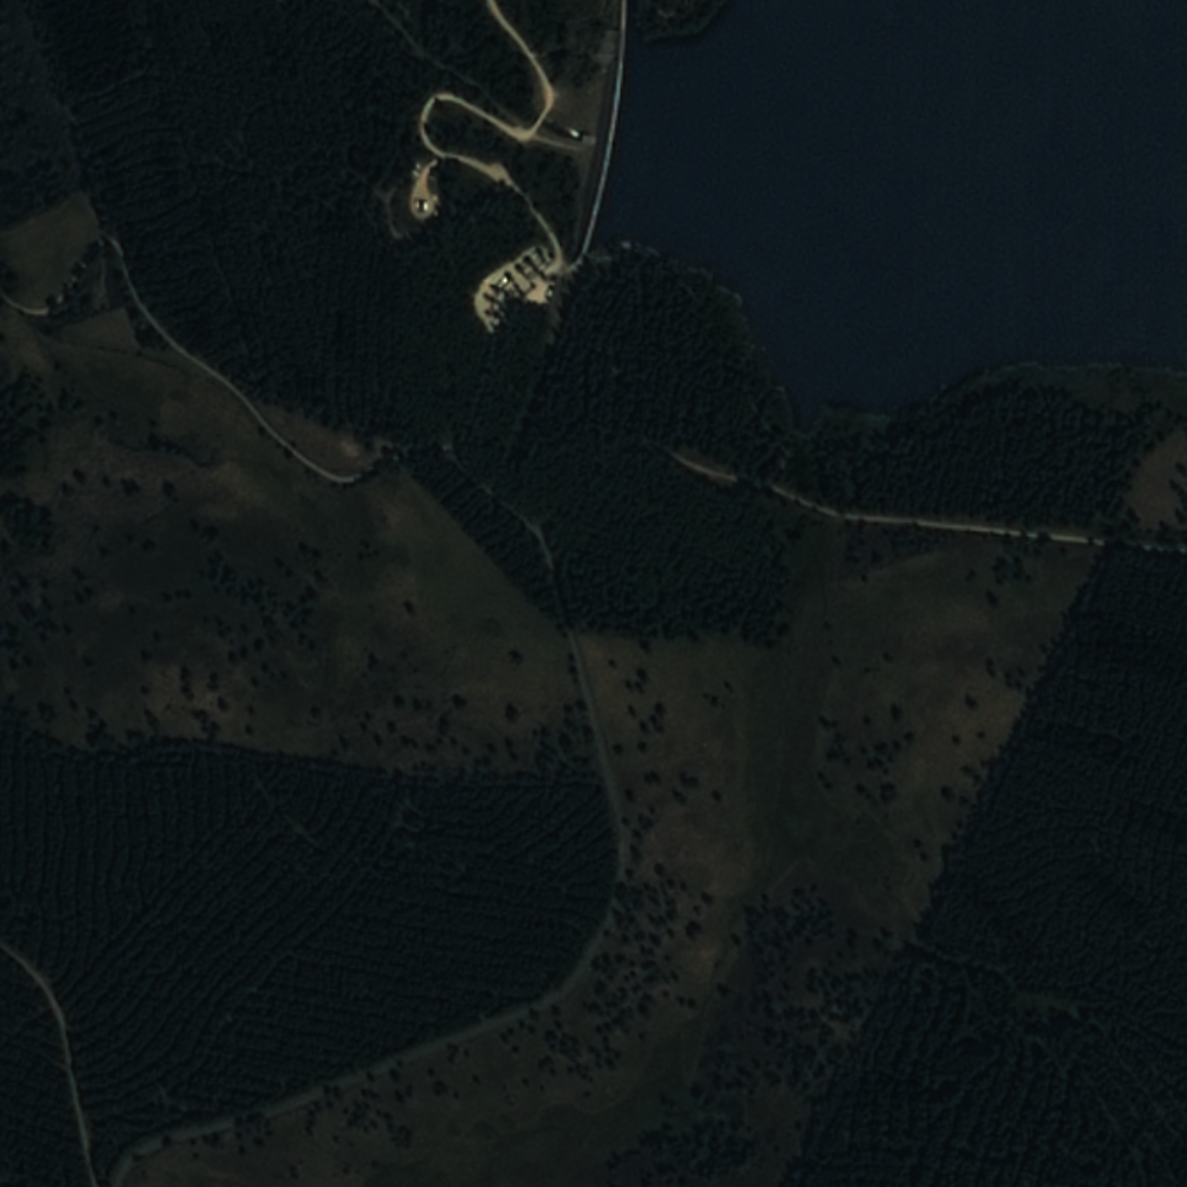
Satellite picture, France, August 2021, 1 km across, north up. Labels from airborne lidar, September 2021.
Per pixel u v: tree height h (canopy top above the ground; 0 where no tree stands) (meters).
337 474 0
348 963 16
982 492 21
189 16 17
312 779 18
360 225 14
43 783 14
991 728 0
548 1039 10
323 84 19
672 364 20
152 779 18
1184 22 0
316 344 15
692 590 24
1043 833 16
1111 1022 22
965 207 0
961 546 0
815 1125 11
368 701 0
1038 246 0
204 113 16
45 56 11
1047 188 0
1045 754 17
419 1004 19
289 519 0
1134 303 0
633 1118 0
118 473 0
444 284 19
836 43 0
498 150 8
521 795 13
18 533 12
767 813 0
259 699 0
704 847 0
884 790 9
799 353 0
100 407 0
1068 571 0
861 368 0
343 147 15
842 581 0
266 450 0
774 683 0
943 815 0
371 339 15
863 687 0
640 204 0
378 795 15
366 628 0
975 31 0
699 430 18
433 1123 0
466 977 18
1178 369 0
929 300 0
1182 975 18
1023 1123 19
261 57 20
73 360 0
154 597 0
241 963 15
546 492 20
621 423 17
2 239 0
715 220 0
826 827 0
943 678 0
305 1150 0
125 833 17
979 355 0
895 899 0
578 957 15
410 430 15
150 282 18
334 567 0
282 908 13
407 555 0
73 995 14
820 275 0
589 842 9
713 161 0
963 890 19
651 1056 0
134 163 13
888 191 0
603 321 20
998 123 0
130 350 0
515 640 0
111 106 17
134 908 17
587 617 20
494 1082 0
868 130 0
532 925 15
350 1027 17
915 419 8
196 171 17
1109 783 15
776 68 0
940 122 0
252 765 18
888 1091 17
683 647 0
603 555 20
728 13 0
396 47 15
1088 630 16
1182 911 14
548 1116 0
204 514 0
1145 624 22
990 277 0
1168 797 17
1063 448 22
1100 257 0
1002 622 0
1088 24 0
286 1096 15
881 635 0
